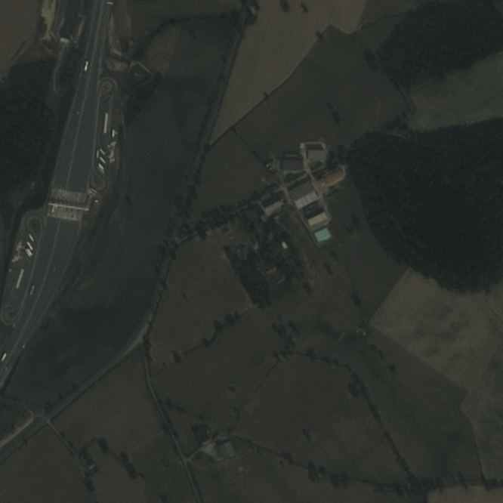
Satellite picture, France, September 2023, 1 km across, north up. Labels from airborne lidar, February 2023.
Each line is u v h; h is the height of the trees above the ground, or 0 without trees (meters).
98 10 0
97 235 0
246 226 16
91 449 0
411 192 16
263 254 18
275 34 0
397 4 0
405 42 20
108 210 0
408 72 25
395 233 27
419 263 25
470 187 19
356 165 22
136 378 0
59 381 0
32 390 0
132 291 0
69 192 0
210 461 0
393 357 0
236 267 16
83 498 0
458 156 27
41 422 0
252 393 0
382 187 15
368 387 0
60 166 0
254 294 18
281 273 11
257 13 0
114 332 0
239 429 0
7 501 0
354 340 0
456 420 0
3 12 0
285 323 0
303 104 0
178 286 0
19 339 0
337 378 0
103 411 0
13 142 9
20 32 0
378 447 0
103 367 0
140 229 0
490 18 25
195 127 0
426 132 0
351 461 0
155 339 0
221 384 0
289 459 14
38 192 0
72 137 0
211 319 0
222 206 0
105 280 0
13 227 0
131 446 0
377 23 0
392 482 0
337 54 0
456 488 0
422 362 0
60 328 0
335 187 0
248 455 0
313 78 0
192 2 0
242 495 0
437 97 0
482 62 0
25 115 9
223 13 0
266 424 0
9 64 0
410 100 0
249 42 0
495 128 27
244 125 0
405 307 0
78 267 0
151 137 0
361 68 0
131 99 8
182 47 0
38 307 0
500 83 0
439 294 0
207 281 0
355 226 17
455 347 0
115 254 0
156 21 0
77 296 0
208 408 0
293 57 0
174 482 0
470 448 0
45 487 0
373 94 0
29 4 0
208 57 0
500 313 0
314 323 0
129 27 0
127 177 0
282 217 0
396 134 0
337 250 0
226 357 0
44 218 0
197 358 0
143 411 0
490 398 0
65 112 0
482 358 0
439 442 0
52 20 0
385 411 0
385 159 15
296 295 0
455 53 25
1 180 10
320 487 0
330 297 0
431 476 0
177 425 0
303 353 0
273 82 0
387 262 0
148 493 0
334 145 0
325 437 0
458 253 24
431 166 24
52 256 0
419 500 0
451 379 0
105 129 0
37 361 0
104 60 0
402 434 0
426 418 0
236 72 0
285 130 0
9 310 0
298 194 0
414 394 0
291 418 0
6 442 0
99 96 0
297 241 0
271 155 0
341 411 0
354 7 0
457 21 24
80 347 0
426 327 0
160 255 16
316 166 0
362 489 0
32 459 0
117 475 0
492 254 17
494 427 0
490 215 24
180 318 0
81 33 0
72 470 0
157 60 0
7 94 0
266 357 0
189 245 0
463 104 0
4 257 0
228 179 0
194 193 16
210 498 0
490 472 0
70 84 0
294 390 0
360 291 0
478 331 0
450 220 25
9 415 0
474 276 17
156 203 0
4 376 0
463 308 0
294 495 0
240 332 0
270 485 0
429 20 23
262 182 0
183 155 0
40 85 0
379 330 0
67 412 0
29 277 0
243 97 0
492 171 28
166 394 0
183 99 0
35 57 0
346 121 0
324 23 0
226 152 0
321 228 0
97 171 0
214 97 0
